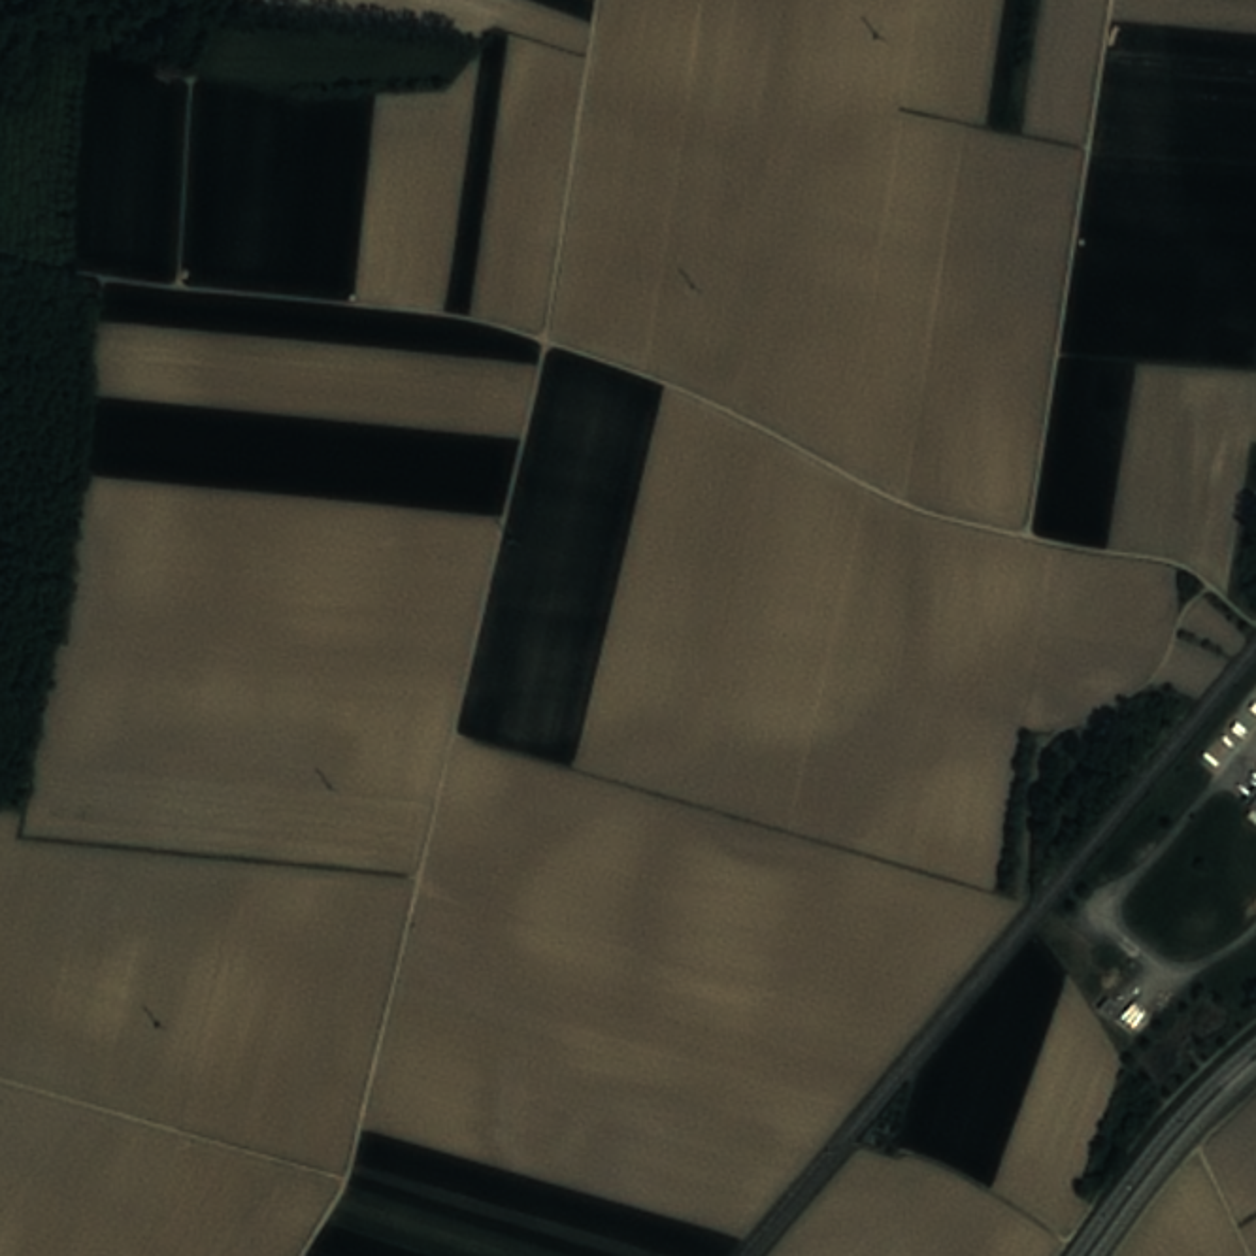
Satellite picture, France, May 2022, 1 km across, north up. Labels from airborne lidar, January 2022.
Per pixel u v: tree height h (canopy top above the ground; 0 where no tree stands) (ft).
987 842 0
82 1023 0
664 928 0
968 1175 0
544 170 0
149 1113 0
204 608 0
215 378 0
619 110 0
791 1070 0
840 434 0
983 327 0
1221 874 0
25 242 52
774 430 0
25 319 75
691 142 0
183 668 0
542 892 0
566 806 0
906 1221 0
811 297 0
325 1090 0
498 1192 0
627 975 0
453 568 0
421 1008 0
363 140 0
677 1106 0
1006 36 0
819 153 0
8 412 69
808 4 0
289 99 0
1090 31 0
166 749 0
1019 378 0
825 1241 0
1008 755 0
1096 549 0
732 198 0
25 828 0
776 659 0
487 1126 0
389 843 0
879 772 0
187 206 0
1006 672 0
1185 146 0
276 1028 0
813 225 0
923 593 0
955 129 0
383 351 0
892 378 0
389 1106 0
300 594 0
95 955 0
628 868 0
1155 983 0
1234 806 0
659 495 0
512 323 0
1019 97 0
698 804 0
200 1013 0
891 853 0
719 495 0
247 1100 0
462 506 0
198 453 0
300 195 0
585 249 0
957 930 0
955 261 0
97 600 0
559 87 0
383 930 0
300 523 0
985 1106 0
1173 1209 0
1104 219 0
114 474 0
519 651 0
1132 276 0
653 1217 0
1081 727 0
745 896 0
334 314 0
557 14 0
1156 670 0
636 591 0
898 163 0
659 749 0
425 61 0
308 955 0
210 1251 0
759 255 0
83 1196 0
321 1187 0
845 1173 0
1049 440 0
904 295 0
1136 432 0
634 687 0
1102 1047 0
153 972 0
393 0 0
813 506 0
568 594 0
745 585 0
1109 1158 31
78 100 31
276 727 0
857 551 0
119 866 0
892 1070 0
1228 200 0
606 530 0
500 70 0
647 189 0
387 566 0
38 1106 0
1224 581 0
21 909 0
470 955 0
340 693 0
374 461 0
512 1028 0
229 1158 0
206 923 0
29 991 0
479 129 0
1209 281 0
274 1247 0
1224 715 0
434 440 0
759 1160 0
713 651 0
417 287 0
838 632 0
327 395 0
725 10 0
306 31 84
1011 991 0
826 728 0
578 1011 0
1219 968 0
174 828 0
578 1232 0
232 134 0
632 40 0
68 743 0
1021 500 0
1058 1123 0
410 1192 0
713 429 0
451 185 0
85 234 0
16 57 85
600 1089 0
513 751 0
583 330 0
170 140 0
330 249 0
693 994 0
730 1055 0
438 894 0
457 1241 0
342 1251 0
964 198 0
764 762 0
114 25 76
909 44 0
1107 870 0
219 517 0
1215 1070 0
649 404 0
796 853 0
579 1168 0
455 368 0
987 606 0
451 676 0
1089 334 0
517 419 0
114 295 0
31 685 62
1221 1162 0
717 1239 0
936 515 0
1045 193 0
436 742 0
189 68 41
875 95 0
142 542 0
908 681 0
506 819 0
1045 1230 0
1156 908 0
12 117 63
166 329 0
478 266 0
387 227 0
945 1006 0
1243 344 0
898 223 0
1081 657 0
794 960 0
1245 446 0
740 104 0
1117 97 0
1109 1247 0
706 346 0
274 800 0
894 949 0
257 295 0
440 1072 0
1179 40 0
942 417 0
